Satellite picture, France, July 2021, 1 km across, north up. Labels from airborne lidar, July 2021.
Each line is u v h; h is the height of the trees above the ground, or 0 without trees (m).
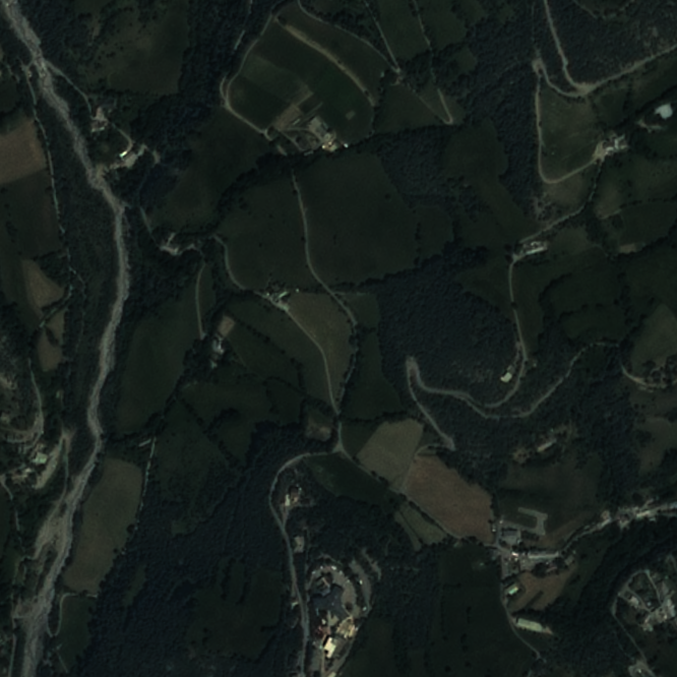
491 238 0
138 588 0
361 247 0
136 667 11
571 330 0
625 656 14
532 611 14
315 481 8
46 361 0
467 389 8
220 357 7
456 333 9
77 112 12
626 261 13
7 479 7
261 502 11
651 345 0
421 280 12
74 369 12
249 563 11
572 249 0
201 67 23
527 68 8
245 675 8
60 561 0
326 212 0
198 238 9
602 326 0
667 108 0
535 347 0
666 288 0
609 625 11
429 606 11
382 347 9
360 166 0
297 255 0
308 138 0
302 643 11
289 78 0
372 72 0
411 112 0
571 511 0
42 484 0
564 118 0
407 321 8
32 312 0
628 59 7
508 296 0
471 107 6
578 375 12
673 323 0
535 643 0
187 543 9
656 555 16
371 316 0
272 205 0
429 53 11
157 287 12
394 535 5
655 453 0
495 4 8
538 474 0
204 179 0
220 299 10
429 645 11
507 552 0
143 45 0
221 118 0
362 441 0
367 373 0
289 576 8
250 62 0
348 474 0
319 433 0
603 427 13
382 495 0
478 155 0
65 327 6
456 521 0
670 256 0
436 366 6
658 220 0
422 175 6
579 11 10
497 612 0
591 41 9
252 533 11
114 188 12
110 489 0
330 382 0
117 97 11
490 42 13
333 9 0
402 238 0
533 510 0
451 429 6
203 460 0
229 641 0
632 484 12
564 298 0
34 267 0
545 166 0
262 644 0
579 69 8
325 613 8
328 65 0
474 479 19
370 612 8
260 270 0
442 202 12
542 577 7
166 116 11
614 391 8
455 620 0
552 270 0
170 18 0
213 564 10
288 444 16
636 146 11
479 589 0
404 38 0
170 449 0
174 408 11
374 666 0
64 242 8
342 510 9
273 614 0
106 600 15
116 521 0
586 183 0
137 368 0
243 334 0
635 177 0
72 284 10
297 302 0
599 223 10
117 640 13
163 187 11
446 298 10
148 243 12
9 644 7
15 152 0
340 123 0
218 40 14
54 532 0
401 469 0
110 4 13
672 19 6
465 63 0
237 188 18
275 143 10
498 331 18
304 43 0
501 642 0
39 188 0
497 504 11
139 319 9
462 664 0
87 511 0
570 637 9
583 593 8
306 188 0
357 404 0
